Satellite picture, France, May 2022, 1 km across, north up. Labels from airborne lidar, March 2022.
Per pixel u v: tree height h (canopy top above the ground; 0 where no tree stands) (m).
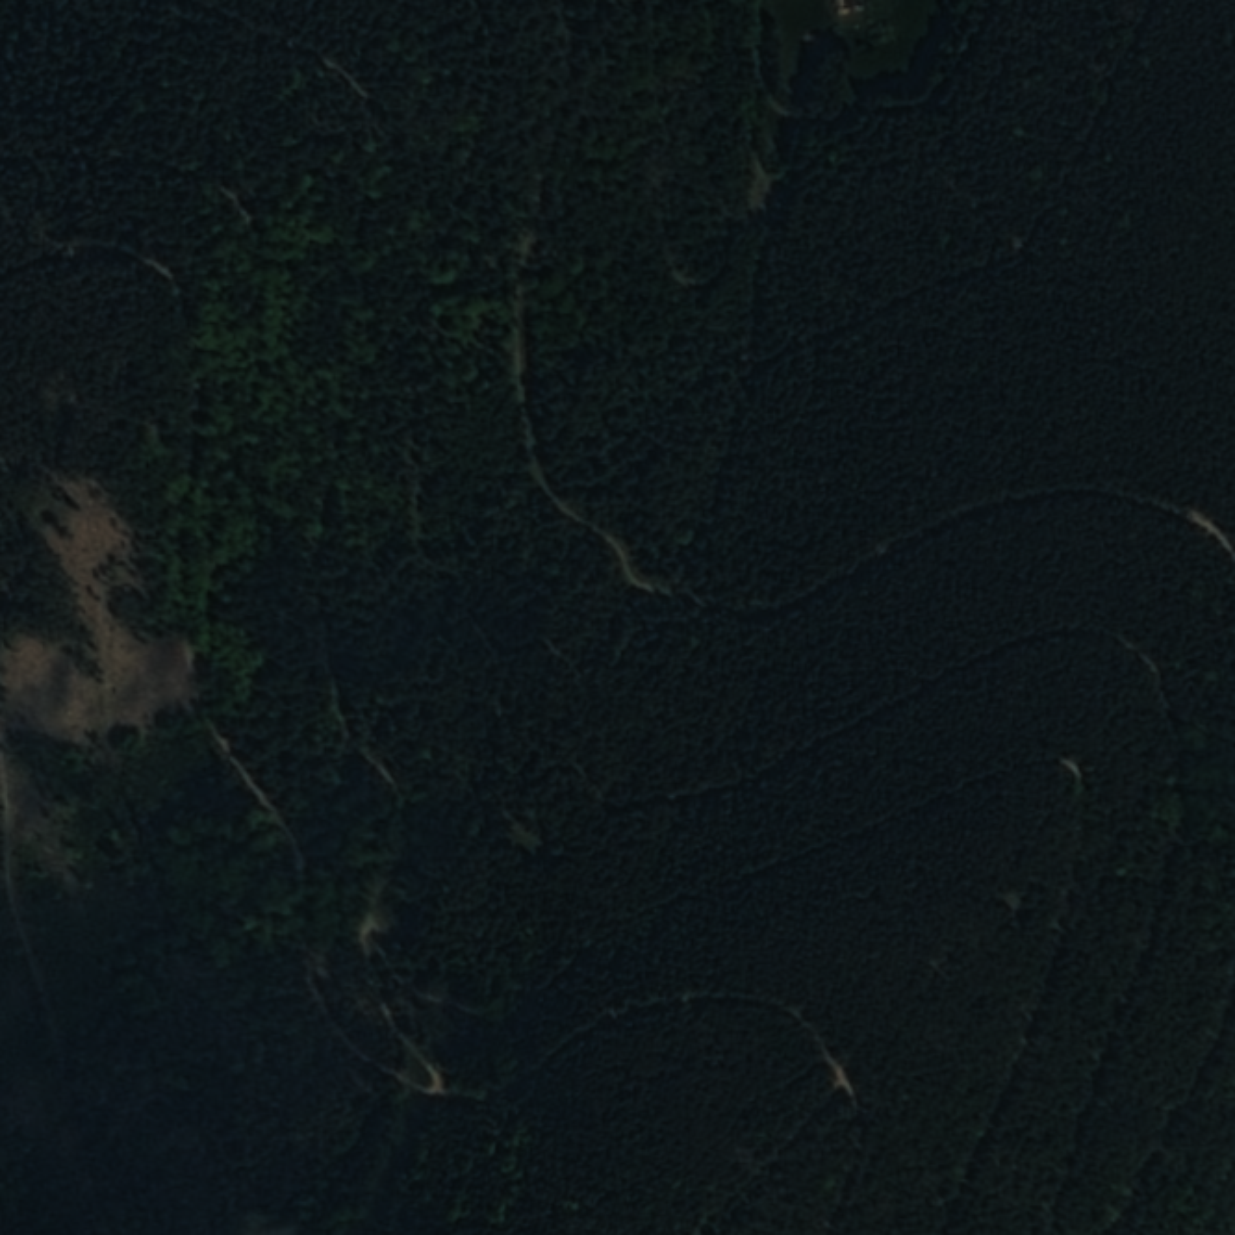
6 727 0
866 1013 21
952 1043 23
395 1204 13
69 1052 20
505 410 11
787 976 23
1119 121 21
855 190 27
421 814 29
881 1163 21
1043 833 19
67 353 25
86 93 28
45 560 25
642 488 28
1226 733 25
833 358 24
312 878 17
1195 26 20
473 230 20
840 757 21
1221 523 21
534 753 27
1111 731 19
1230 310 22
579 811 22
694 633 24
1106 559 18
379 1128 19
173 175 23
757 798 20
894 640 16
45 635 24
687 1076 17
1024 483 17
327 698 16
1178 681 22
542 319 20
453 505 14
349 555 28
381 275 26
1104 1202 20
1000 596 20
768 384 22
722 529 26
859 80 0
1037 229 17
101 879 0
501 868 25
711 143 21
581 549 15
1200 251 19
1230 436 22
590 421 29
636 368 25
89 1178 12
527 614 25
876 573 15
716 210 20
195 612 28
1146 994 23
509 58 14
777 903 22
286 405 23
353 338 23
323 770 28
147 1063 23
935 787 21
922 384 25
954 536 19
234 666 26
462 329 26
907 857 26
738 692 21
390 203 23
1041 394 20
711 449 26
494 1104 10
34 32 30
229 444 16
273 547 28
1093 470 19
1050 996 24
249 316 29
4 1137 20
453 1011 18
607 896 18
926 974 17
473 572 26
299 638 29
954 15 24
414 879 34
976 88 23
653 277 23
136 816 27
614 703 23
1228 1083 21
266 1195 23
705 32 23
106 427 27
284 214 28
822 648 20
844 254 22
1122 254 17
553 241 19
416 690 33
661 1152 14
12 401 20
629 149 16
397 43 26
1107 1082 24
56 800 11
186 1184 16
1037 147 22
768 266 24
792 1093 20
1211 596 25
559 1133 13
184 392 19
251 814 28
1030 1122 24
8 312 20
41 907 24
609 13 35
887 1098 21
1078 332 21
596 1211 18
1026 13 17
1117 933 27
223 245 23
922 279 24
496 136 15
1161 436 22
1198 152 22
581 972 20
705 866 23
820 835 18
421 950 29
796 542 19
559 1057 15
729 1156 18
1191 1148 29
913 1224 26
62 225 15
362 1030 28
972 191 19
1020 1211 11
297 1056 24
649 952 24
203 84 29
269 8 18
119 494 25
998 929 25
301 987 27
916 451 22
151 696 0
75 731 0
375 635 29
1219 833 25
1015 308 21
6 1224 16
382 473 23
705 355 15
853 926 22
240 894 19
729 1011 15
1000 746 21
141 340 20
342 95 26
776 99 24
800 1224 23
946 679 19
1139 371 20
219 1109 21
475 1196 17
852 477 24
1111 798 21
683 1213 16
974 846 21
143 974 27
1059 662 19
